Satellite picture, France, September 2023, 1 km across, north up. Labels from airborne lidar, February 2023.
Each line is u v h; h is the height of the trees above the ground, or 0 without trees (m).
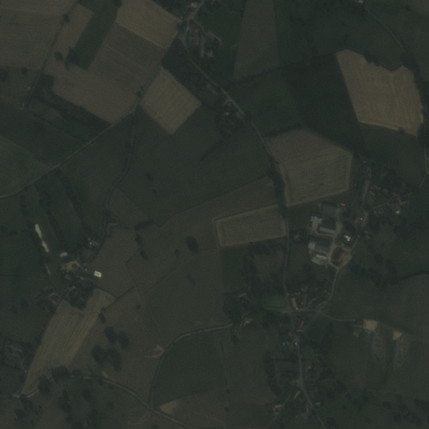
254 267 20
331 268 0
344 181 0
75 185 0
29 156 0
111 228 0
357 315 0
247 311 13
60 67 0
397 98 0
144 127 0
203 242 0
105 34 0
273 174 16
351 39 0
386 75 0
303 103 0
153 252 0
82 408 0
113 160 0
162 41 0
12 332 0
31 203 0
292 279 0
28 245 0
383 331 0
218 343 0
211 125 0
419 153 0
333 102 0
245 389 0
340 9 0
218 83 0
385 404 8
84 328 0
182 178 0
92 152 0
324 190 0
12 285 0
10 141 0
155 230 0
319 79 0
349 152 0
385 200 0
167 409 0
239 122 16
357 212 0
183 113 0
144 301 0
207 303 0
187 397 0
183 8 0
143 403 0
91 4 0
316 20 0
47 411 0
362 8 18
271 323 13
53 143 0
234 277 0
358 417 0
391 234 0
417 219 0
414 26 0
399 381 0
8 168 0
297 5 0
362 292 0
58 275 0
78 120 7
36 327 0
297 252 0
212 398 0
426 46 0
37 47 0
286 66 0
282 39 0
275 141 0
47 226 0
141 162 0
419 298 0
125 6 0
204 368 0
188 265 0
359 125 0
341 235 0
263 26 0
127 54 0
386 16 0
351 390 0
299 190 0
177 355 0
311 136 0
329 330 13
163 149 0
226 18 0
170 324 0
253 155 0
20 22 0
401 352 0
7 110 0
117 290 0
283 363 0
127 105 0
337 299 0
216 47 6
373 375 0
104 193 0
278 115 0
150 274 0
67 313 0
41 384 15
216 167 0
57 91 0
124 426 0
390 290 0
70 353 0
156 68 0
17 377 0
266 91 0
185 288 0
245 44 0
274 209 0
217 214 0
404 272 0
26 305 16
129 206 0
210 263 0
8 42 0
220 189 0
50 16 0
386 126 0
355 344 0
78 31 0
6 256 0
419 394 0
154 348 0
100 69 0
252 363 0
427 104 9
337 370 0
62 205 0
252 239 0
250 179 0
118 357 20
